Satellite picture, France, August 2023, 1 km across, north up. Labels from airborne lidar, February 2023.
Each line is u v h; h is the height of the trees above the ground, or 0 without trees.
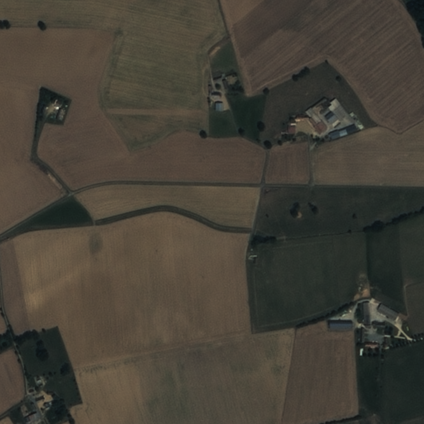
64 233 0
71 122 0
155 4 0
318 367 0
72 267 0
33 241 0
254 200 0
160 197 0
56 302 0
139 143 0
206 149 0
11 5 0
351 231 7
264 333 0
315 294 0
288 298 0
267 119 0
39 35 0
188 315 0
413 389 0
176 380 0
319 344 0
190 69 0
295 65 0
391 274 0
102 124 0
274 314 0
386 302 0
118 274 0
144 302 0
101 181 0
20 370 0
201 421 0
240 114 0
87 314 0
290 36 0
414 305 0
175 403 0
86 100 0
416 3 18
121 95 0
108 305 0
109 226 0
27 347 0
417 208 0
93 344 0
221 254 0
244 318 0
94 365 0
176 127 0
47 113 0
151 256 0
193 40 0
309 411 0
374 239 0
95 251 0
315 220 0
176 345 0
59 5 0
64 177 0
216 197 0
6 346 14
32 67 0
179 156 0
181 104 0
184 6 0
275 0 0
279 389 0
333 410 0
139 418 0
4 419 0
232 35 0
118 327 0
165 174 0
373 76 0
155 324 0
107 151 0
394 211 0
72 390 0
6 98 0
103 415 0
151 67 0
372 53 0
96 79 0
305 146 0
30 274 0
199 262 0
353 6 0
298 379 0
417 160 0
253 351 0
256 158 0
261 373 0
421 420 0
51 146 0
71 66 0
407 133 0
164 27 0
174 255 0
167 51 0
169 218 0
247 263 0
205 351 0
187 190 0
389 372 0
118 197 0
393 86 0
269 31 0
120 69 0
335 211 0
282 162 0
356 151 0
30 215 0
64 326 0
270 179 0
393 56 0
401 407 0
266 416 0
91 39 0
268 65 0
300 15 0
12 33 0
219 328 0
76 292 0
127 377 0
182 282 0
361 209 0
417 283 0
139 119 0
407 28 0
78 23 0
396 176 0
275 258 0
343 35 0
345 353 0
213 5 0
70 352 0
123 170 0
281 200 0
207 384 0
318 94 0
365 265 0
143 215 0
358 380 0
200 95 0
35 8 0
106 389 0
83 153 0
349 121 0
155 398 0
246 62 0
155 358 0
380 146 0
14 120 0
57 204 0
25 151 0
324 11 0
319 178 0
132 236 0
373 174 0
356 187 0
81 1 0
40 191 0
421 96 0
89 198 0
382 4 0
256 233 0
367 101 0
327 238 0
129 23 0
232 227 0
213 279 0
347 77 0
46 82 0
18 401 0
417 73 0
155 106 0
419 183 0
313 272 0
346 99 0
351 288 0
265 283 0
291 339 0
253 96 0
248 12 0
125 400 0
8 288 0
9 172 0
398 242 0
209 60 0
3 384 0
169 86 0
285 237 0
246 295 0
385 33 0
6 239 0
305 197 0
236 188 0
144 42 0
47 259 0
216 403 0
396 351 0
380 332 0
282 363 0
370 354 9
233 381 0
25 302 0
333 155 0
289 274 0
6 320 0
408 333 0
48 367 0
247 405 0
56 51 0
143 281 0
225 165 0
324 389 0
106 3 0
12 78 0
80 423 0
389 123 0
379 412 0
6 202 0
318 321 6
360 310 9
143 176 0
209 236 0
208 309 0
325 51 0
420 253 0
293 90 0
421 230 0
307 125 0
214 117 0
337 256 0
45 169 0
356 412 0
